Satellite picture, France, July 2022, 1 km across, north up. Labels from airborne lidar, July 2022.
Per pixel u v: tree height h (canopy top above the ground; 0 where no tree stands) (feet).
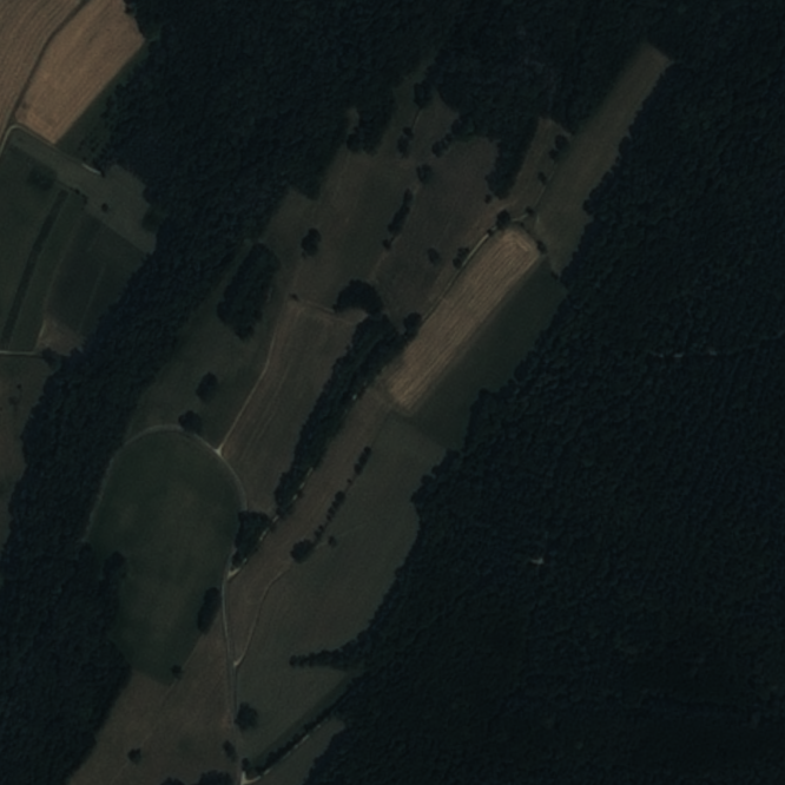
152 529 0
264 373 0
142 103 55
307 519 0
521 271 0
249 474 0
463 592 46
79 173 0
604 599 74
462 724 56
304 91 95
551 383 65
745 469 115
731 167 89
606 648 65
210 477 0
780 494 78
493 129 52
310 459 48
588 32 65
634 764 69
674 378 79
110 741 0
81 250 0
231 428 0
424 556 60
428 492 51
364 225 0
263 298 51
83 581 80
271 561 0
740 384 77
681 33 80
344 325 0
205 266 95
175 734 0
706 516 73
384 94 71
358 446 0
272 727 0
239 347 0
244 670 0
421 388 0
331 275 0
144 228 0
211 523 0
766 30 96
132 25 0
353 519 0
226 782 65
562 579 72
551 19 73
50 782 44
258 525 43
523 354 0
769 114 76
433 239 0
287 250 0
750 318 68
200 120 91
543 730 73
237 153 101
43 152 0
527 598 72
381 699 49
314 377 0
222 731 0
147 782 0
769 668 67
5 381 0
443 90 71
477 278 0
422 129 0
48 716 52
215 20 86
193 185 94
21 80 0
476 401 0
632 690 87
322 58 115
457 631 39
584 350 76
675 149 78
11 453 0
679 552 59
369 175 0
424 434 0
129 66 0
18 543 72
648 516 51
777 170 64
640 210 96
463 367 0
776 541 82
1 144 0
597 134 0
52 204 0
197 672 0
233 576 0
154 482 0
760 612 76
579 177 0
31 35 0
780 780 73
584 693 65
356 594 0
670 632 48
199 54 89
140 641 0
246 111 118
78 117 0
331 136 74
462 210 0
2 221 0
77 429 73
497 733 85
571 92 53
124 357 84
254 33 86
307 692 0
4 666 73
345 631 0
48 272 0
